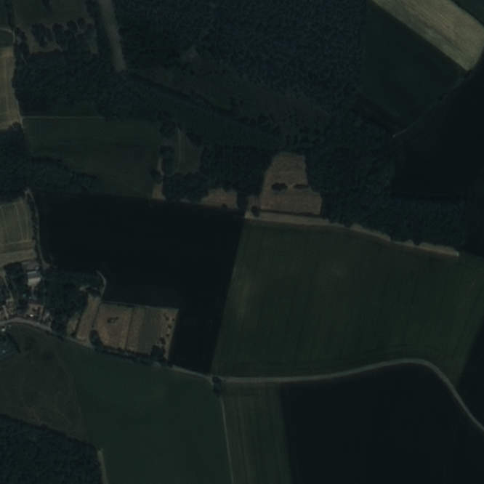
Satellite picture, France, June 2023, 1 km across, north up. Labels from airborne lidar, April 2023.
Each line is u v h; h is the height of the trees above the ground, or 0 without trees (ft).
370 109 0
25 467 73
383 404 0
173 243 0
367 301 0
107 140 0
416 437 0
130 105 70
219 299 0
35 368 0
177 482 0
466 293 0
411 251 0
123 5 95
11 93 0
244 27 95
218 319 0
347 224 53
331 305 0
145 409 0
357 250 0
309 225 0
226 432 0
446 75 0
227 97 0
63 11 0
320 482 0
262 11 109
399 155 0
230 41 100
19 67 33
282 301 0
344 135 89
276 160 0
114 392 0
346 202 94
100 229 0
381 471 0
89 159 0
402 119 0
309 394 0
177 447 0
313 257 0
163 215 0
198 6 111
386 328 0
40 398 0
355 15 97
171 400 0
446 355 0
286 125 0
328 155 88
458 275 0
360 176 53
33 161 64
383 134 74
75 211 0
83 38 72
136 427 0
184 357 0
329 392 0
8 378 0
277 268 0
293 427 0
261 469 0
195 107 87
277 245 0
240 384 0
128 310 0
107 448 0
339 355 0
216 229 0
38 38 52
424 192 0
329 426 0
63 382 0
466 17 0
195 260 0
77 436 0
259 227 0
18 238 0
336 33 81
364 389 0
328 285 0
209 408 0
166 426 0
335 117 86
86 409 0
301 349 0
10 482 50
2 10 0
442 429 0
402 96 0
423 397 0
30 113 0
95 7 78
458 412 0
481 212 0
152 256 0
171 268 0
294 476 0
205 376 0
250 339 0
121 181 0
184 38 32
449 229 73
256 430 0
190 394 0
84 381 0
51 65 79
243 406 0
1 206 0
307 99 105
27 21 0
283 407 0
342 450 0
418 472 0
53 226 0
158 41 36
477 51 0
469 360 0
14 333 0
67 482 84
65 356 0
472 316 0
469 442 0
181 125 51
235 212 0
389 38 0
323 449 0
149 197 0
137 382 0
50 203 0
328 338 0
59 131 0
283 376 0
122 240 0
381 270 0
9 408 0
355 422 0
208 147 47
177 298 0
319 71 76
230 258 0
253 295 0
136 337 0
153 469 0
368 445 0
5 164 74
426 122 0
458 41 0
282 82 119
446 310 0
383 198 83
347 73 94
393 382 0
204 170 102
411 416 0
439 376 0
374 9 0
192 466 0
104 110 64
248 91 0
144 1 96
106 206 0
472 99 0
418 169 0
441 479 0
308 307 0
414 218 66
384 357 0
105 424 0
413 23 0
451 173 0
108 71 77
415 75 0
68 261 0
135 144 0
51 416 0
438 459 0
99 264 0
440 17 0
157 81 0
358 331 0
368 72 0
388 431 0
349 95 67
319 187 51
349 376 0
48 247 0
